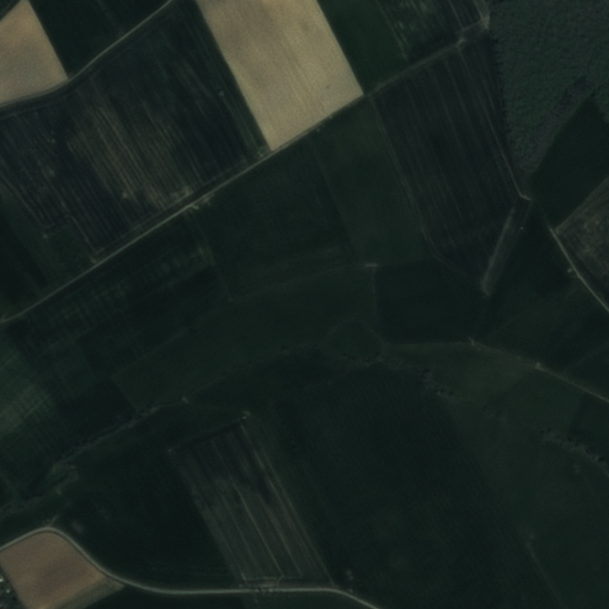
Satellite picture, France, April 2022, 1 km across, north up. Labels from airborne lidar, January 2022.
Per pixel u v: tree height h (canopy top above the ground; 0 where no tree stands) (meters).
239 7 0
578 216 0
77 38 0
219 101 0
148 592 0
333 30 0
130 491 0
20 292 0
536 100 22
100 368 0
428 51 0
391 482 0
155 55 0
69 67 0
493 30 12
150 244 0
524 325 0
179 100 0
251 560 0
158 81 0
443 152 0
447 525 0
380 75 0
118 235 0
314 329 0
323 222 0
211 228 0
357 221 0
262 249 0
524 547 0
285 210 0
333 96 0
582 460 0
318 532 0
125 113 0
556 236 0
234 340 0
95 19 0
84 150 0
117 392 0
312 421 0
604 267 0
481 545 0
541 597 0
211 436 0
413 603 0
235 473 0
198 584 0
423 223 0
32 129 0
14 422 0
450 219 0
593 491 0
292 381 0
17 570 0
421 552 0
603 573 0
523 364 0
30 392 0
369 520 0
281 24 0
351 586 0
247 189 0
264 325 0
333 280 0
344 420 0
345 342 0
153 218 0
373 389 0
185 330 0
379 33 0
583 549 0
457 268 0
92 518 0
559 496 0
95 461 0
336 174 0
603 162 0
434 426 0
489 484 0
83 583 0
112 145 0
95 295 0
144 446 0
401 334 0
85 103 0
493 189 0
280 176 0
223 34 0
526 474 0
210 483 0
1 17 0
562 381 0
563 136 0
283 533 0
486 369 0
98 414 0
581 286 0
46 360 0
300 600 0
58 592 0
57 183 0
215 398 0
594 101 13
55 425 0
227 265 0
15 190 0
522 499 0
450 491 0
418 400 0
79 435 0
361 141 0
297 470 0
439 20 0
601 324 0
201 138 0
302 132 0
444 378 0
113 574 0
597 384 0
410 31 0
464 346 0
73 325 0
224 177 0
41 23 0
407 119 0
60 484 9
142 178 0
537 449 0
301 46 0
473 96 0
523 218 0
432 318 0
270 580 0
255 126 0
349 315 0
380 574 0
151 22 0
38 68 0
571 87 17
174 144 0
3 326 0
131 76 0
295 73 0
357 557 0
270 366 0
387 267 0
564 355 0
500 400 0
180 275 0
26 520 0
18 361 0
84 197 0
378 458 0
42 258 0
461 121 0
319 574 0
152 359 0
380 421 0
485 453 0
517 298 0
